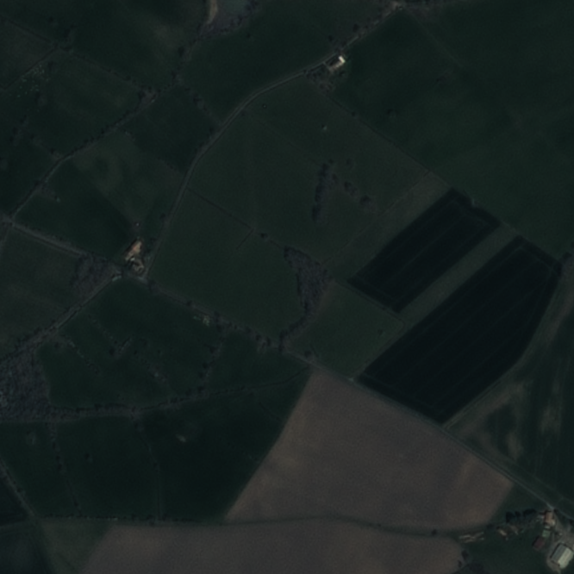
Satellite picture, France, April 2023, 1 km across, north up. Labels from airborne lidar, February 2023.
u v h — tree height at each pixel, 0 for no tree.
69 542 0
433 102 0
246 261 0
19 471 0
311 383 0
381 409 0
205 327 0
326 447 0
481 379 0
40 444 0
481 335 0
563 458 0
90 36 0
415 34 0
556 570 0
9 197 0
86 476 0
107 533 0
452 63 0
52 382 0
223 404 0
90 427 0
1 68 0
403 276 0
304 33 0
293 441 0
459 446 0
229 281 0
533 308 0
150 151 0
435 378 0
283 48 0
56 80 0
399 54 0
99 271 16
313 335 0
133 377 0
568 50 0
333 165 11
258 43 0
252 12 16
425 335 0
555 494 0
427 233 0
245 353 0
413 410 0
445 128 0
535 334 0
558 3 0
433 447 0
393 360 0
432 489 0
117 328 0
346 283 0
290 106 0
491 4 0
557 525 0
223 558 0
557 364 0
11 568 0
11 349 0
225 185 0
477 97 0
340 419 0
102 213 0
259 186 0
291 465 0
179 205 0
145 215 0
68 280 0
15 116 0
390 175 0
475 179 0
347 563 0
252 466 0
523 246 0
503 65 0
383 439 0
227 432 0
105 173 0
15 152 0
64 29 0
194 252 0
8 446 0
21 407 7
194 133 0
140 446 0
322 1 0
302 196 0
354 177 0
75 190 0
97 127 0
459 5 0
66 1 0
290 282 0
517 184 0
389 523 0
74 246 6
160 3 0
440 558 0
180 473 0
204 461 0
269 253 0
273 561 0
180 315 0
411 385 0
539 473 0
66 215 0
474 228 0
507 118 0
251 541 0
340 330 0
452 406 0
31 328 0
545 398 0
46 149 0
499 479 0
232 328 7
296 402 0
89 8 0
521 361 0
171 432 0
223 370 0
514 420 0
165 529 0
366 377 0
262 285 0
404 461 0
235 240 0
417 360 0
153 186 0
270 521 0
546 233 0
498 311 0
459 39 0
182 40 0
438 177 0
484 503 0
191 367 0
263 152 0
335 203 0
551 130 0
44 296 0
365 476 0
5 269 0
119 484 0
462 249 0
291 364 0
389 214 0
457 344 0
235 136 0
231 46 0
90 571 0
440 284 0
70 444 0
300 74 0
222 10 0
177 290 0
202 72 0
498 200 0
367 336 0
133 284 0
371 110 0
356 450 0
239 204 0
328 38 0
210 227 0
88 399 0
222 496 0
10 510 0
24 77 0
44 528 0
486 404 0
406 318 0
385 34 0
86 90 0
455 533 0
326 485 0
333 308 0
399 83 0
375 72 0
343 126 0
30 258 0
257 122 0
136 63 0
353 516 0
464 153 0
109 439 0
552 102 0
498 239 0
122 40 0
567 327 0
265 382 0
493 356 0
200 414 0
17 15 0
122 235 0
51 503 0
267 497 0
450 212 0
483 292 0
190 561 0
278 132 0
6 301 0
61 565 0
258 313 0
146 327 0
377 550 0
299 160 0
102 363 0
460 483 0
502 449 0
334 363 0
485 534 0
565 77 0
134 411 8
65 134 0
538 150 0
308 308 13
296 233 0
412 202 0
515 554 0
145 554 0
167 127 0
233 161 0
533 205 0
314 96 0
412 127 0
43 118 0
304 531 0
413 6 11
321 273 19
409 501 0
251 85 0
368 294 0
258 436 0
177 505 0
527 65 0
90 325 0
